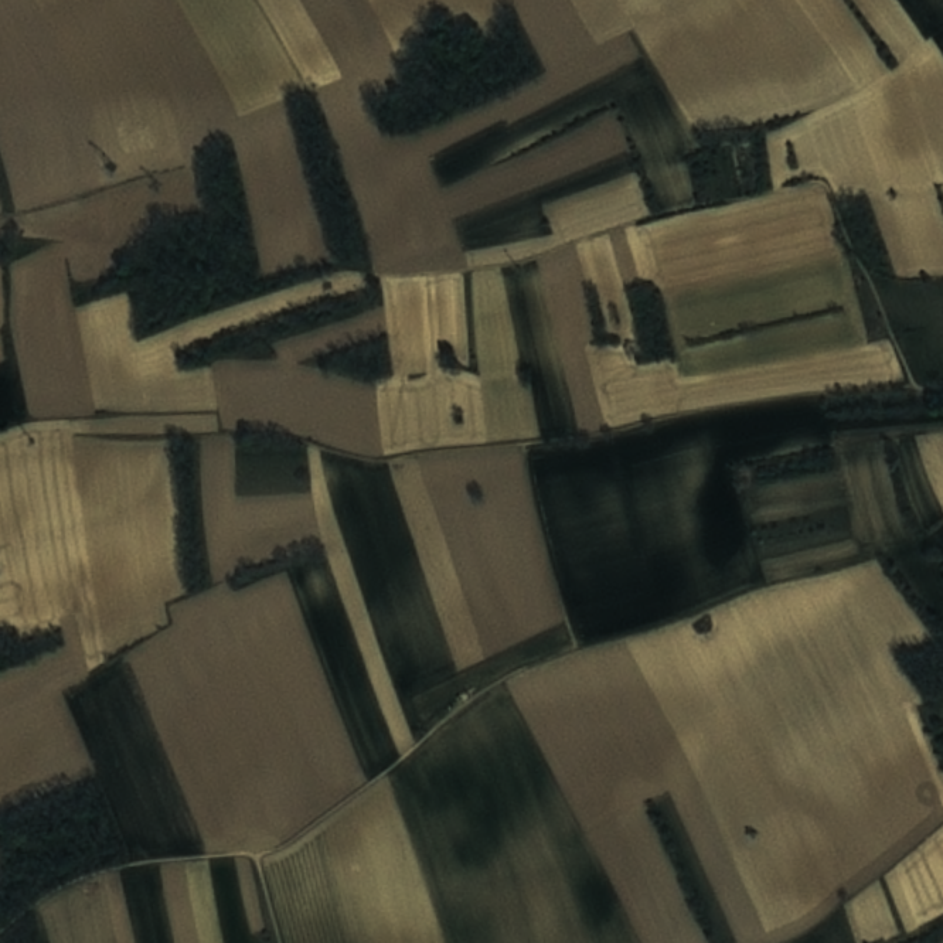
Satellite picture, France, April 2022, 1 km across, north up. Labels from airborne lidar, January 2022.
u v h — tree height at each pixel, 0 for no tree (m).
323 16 0
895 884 0
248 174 0
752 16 0
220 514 0
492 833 0
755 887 0
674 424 0
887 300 0
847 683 0
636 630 0
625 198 0
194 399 0
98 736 0
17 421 0
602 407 0
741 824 0
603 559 0
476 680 0
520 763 0
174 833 0
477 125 0
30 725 0
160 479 0
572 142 0
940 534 0
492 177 0
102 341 0
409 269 0
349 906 0
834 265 0
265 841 0
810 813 0
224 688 0
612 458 0
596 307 8
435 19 23
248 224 20
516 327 0
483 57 26
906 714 0
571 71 0
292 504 0
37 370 0
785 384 0
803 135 0
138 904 0
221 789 0
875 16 0
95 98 0
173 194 0
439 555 0
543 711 0
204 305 15
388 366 18
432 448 0
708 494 0
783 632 0
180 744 0
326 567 0
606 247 0
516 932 0
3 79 0
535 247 0
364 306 0
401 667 0
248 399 0
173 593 0
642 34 0
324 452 0
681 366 0
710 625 0
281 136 0
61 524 0
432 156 0
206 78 0
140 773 0
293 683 0
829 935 0
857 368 0
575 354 0
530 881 0
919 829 0
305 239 0
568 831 0
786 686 0
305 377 0
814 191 0
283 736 0
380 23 0
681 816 0
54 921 0
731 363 0
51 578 0
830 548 0
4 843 23
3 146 0
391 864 0
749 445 0
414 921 0
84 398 0
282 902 0
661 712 0
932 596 0
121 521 0
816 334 0
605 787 0
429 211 0
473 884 0
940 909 0
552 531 0
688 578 0
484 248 0
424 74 24
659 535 0
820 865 0
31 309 0
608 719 0
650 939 0
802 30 0
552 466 0
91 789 23
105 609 0
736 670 0
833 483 0
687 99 0
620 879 0
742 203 0
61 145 0
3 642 19
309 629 0
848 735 0
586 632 0
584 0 0
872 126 0
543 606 0
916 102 0
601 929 0
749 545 0
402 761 0
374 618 0
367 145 0
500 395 0
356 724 0
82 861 25
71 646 0
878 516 0
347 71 0
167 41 0
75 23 0
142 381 0
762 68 0
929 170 0
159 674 0
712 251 0
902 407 19
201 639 0
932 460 0
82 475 0
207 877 0
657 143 0
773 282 0
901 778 0
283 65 0
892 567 13
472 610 0
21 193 0
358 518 0
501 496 0
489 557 0
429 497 0
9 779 0
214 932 0
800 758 0
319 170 27
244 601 0
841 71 0
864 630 0
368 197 0
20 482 0
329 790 0
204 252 26
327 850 0
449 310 0
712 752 0
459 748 0
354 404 0
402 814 0
